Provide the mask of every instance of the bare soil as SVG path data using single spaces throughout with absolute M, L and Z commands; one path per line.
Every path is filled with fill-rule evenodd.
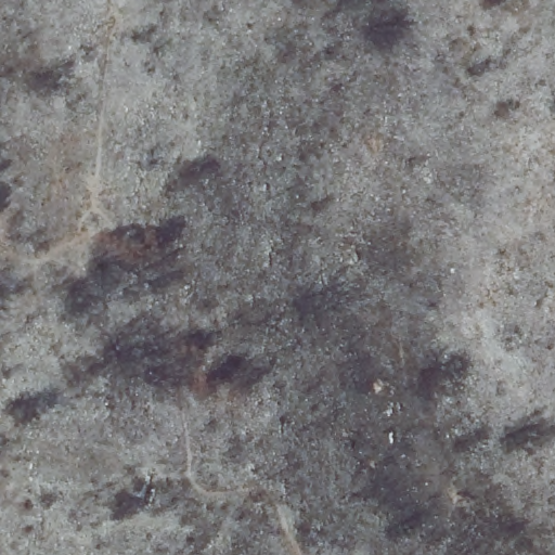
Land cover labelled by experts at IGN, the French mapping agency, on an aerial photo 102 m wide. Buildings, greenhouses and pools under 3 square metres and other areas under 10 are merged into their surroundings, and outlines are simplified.
M 0 0 L 0 555 L 555 555 L 555 0 Z

